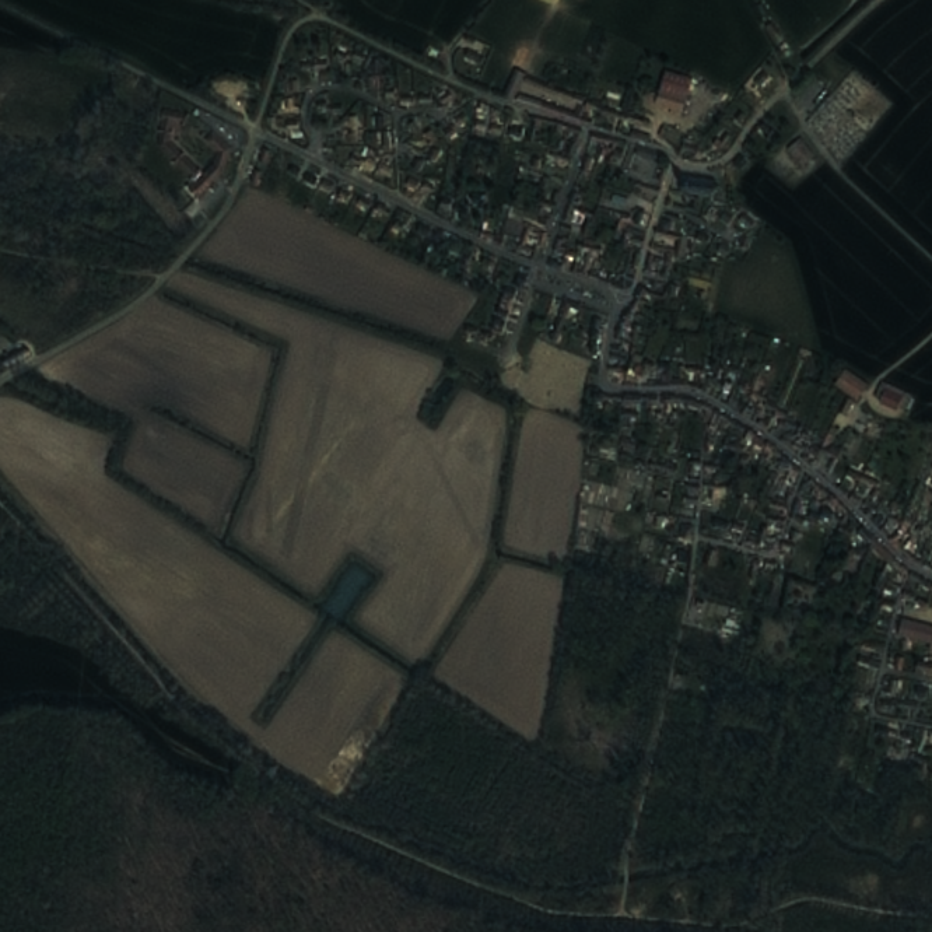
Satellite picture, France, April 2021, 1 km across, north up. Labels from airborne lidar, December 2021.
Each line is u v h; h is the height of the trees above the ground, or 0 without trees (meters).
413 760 6
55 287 30
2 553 17
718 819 19
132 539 0
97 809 18
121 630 28
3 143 8
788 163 0
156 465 0
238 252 0
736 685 26
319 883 24
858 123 0
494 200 0
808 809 19
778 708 20
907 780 22
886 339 0
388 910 25
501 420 0
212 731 21
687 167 0
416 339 8
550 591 0
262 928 18
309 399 0
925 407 0
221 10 0
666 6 0
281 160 0
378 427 0
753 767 37
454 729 8
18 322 0
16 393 6
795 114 0
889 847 27
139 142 18
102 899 20
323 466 0
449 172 0
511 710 0
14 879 16
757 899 28
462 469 0
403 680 0
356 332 0
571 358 0
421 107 0
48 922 17
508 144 0
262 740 0
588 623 16
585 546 0
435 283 0
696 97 0
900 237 0
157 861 17
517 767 9
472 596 0
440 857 19
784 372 0
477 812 6
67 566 18
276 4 8
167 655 0
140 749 18
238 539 0
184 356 0
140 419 0
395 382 0
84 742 21
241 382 0
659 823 10
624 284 0
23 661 0
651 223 0
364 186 0
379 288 0
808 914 11
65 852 14
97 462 0
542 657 0
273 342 0
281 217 0
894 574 0
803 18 0
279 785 19
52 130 0
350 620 0
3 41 0
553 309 0
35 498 0
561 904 6
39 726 15
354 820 19
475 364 0
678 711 13
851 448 0
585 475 0
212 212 0
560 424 0
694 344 0
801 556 0
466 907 18
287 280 0
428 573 0
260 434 0
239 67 0
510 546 0
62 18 0
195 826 18
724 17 0
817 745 24
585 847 9
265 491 0
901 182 0
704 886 19
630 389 0
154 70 0
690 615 0
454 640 0
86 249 11
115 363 0
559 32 0
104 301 7
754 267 0
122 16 0
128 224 7
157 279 0
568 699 0
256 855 19
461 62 0
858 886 0
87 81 0
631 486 0
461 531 0
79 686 0
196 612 0
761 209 0
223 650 0
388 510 0
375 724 0
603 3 0
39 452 0
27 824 15
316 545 0
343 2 0
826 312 0
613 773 25
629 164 0
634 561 22
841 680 15
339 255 0
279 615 0
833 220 0
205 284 0
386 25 0
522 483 0
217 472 0
